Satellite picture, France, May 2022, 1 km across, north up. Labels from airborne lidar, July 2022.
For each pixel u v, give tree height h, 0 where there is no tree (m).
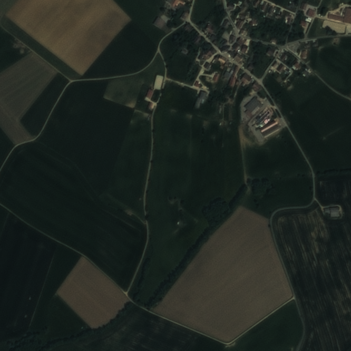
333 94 0
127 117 0
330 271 0
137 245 0
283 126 0
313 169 0
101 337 0
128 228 0
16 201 0
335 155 0
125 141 0
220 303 0
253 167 0
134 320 0
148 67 0
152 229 0
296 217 0
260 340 0
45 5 0
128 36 0
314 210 0
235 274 0
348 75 0
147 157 0
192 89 0
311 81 0
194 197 0
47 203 0
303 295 0
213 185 0
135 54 0
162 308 0
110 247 0
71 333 0
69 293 0
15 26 0
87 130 0
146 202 0
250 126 0
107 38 0
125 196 0
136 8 0
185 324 0
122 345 0
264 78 0
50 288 0
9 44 0
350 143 0
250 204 0
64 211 0
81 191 0
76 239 0
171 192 0
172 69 0
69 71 0
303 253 0
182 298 0
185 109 0
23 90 0
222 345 0
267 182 20
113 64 0
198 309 0
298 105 0
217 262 0
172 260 0
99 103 0
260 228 0
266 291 0
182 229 0
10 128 0
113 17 0
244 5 6
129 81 0
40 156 0
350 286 0
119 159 0
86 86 0
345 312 0
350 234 0
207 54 0
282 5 0
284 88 0
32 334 15
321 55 0
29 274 0
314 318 0
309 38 0
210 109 0
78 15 0
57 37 0
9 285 0
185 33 6
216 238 0
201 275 0
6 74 0
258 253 0
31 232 0
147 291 0
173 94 0
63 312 0
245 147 0
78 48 0
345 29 0
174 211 0
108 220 0
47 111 0
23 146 0
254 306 0
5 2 0
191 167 0
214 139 0
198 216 0
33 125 0
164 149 0
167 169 0
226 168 0
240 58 0
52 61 0
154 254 0
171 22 10
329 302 0
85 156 0
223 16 16
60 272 0
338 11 0
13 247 0
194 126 0
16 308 0
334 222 0
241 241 0
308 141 0
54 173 0
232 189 0
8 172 0
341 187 0
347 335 0
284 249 0
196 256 0
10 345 15
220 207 25
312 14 0
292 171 0
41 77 0
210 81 0
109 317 0
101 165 0
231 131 0
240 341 0
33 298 0
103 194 0
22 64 0
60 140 0
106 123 0
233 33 0
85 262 0
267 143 0
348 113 0
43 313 0
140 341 0
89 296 0
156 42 0
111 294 0
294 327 0
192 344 0
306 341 0
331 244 0
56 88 0
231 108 0
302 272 0
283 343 0
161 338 0
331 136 0
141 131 0
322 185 0
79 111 0
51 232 0
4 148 0
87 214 0
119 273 0
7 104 0
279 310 0
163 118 0
